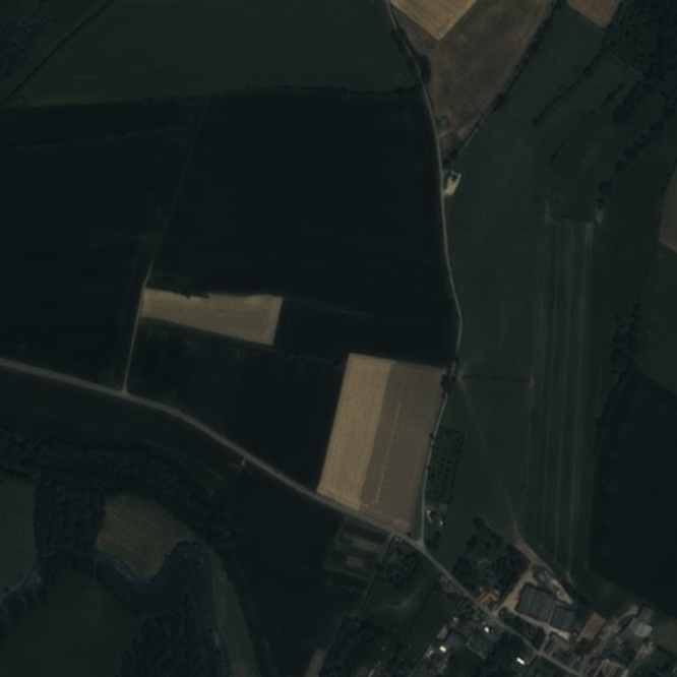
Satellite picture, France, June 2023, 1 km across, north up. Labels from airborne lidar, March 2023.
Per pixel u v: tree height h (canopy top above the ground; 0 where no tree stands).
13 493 0
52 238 0
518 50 0
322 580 0
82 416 0
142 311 0
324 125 0
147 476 28
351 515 0
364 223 0
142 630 0
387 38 0
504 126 0
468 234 0
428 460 0
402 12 0
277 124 0
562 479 0
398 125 0
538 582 0
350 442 0
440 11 0
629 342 17
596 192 0
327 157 0
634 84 0
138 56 0
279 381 0
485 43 0
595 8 0
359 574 0
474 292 0
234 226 0
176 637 0
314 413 0
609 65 0
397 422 0
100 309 0
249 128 0
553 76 0
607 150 0
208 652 0
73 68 0
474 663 0
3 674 0
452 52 0
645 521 0
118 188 0
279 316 0
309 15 0
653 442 0
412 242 0
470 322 0
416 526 0
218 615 0
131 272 0
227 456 0
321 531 0
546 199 0
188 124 0
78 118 0
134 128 0
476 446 0
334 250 0
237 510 0
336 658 18
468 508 0
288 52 0
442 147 0
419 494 0
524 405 0
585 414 0
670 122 16
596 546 0
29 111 0
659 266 0
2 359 0
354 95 7
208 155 0
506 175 0
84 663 0
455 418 0
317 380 0
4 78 18
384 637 11
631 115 25
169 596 38
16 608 29
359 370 0
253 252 0
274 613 0
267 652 0
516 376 0
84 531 33
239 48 0
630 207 0
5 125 0
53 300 0
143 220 0
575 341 0
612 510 0
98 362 0
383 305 0
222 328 0
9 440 19
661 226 0
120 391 0
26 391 0
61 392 0
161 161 0
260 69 0
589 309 0
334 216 0
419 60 9
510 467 0
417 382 0
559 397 0
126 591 38
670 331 0
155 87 0
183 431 0
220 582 0
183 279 0
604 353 0
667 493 0
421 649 0
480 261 0
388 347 0
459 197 0
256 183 0
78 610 0
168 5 0
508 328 0
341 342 0
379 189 0
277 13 0
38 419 0
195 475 0
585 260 0
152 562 0
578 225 0
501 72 0
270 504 0
